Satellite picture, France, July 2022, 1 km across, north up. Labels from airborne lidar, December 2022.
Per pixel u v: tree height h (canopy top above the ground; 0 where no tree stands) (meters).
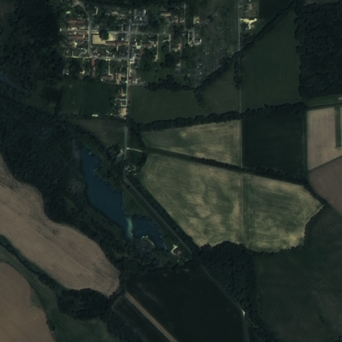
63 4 7
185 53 7
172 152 0
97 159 0
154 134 0
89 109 0
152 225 0
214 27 0
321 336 0
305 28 16
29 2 17
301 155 0
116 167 17
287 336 0
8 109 9
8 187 0
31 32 15
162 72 0
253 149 0
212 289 0
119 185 8
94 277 0
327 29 17
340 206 0
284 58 0
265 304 0
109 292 0
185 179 0
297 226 0
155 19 7
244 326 0
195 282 0
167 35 0
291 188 0
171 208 0
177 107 0
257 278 35
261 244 0
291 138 0
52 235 0
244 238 0
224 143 0
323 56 8
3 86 34
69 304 7
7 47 13
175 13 24
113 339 0
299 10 22
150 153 0
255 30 0
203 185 0
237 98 0
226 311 0
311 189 17
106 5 16
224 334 0
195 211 0
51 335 0
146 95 0
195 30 6
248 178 0
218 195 0
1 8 0
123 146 0
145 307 0
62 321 0
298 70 0
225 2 0
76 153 0
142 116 0
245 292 30
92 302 11
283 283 0
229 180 0
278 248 0
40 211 0
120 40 9
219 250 24
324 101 0
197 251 23
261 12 0
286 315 0
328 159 0
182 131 0
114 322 21
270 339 22
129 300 0
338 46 17
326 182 0
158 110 0
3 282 0
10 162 19
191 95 0
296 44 0
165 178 0
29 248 0
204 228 0
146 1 13
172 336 0
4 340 0
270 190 0
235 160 0
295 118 0
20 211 0
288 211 0
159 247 0
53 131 6
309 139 0
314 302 0
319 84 20
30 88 10
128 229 0
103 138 0
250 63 0
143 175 0
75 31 0
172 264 8
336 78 16
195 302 0
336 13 19
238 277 35
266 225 0
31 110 16
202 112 0
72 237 0
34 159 6
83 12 13
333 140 0
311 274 0
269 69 0
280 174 14
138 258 8
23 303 0
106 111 0
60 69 40
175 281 0
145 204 19
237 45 0
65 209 17
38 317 0
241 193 0
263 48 0
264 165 0
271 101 0
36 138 6
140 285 0
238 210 0
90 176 0
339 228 0
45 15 12
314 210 0
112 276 0
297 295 0
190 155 0
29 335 0
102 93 0
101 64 14
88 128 0
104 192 0
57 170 6
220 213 0
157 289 0
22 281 0
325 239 0
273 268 0
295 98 0
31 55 10
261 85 0
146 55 8
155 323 0
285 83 0
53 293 0
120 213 0
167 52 19
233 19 0
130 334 20
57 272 0
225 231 0
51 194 20
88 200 0
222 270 34
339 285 0
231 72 0
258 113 19
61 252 0
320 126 0
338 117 0
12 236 0
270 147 0
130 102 8
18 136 29
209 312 0
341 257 0
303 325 0
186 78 11
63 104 0
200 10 0
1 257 0
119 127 0
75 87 0
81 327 0
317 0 0
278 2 0
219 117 22
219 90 0
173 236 21
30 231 0
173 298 0
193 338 0
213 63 0
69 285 0
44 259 0
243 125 0
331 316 0
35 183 22
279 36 0
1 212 0
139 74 0
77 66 7
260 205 0
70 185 0
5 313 0
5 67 27
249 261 38
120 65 0
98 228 11
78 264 0
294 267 0
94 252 0
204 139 0
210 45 0
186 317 0
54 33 7
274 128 0
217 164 11
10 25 0
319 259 0
